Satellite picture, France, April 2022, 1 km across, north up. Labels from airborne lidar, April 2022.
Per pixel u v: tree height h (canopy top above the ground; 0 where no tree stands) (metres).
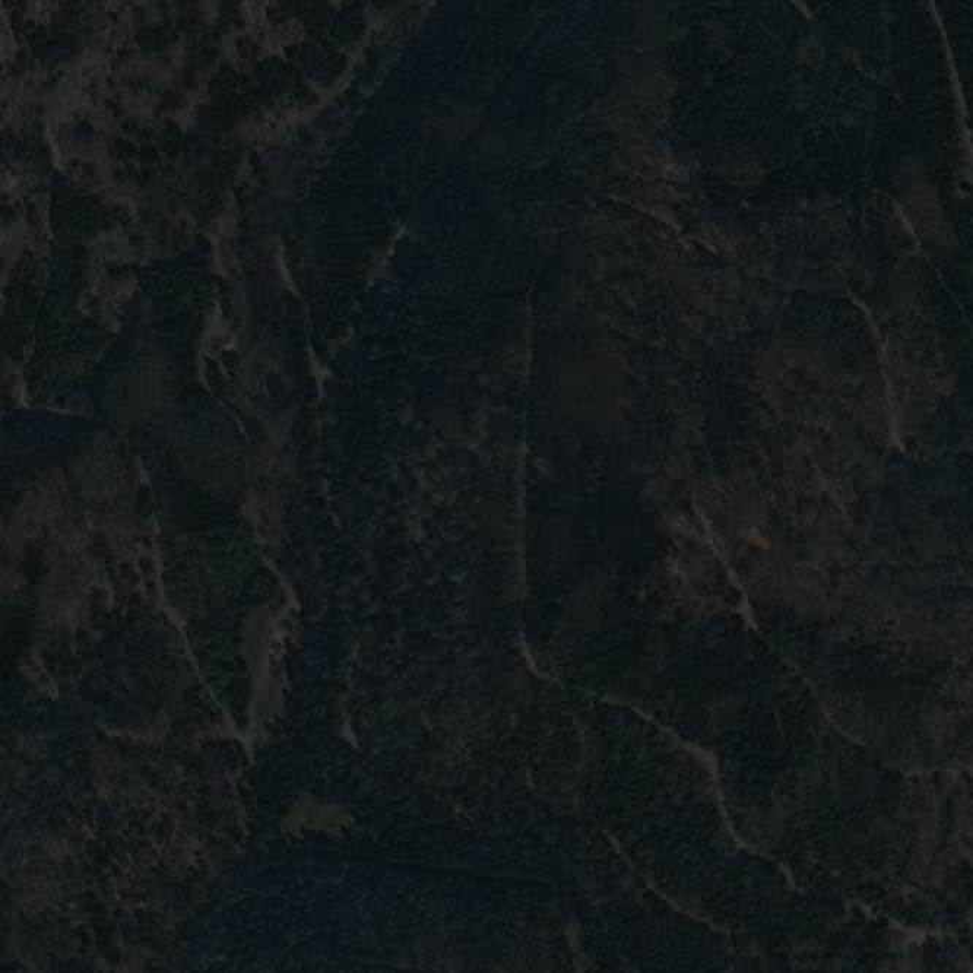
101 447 24
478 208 19
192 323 25
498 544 13
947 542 28
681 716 17
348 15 23
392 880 21
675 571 25
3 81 17
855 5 18
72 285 29
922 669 19
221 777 25
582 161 19
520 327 14
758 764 16
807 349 27
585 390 13
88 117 6
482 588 15
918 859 27
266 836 21
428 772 21
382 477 20
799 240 22
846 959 31
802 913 25
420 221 11
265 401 22
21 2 16
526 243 19
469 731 18
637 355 19
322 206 22
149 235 8
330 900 24
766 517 19
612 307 21
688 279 23
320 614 25
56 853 31
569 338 13
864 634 16
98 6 18
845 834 21
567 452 13
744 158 21
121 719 18
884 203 16
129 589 18
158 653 13
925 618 32
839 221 23
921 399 30
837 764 23
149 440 21
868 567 28
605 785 30
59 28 18
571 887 31
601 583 24
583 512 16
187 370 21
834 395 24
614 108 20
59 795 33
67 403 19
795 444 29
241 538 26
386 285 14
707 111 18
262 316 21
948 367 21
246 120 19
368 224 15
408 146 24
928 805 23
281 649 11
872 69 11
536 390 12
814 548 27
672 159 21
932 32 26
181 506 28
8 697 21
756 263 28
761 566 21
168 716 23
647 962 27
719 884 23
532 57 18
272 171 21
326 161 19
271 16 21
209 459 23
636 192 27
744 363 26
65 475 20
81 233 27
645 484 14
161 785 24
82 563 28
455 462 12
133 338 19
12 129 8
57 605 33
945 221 26
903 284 23
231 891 32
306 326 24
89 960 14
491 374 8
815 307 18
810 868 22
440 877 23
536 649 8
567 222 19
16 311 18
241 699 32
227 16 21
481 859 30
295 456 26
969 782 21
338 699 11
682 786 27
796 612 16
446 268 13
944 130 27
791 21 25
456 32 18
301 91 18
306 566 26
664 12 23
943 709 21
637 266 20
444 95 24
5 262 17
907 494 28
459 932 33
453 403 20
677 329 25
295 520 19
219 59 14
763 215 23
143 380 25
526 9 23
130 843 23
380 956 29
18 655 26
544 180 21
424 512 10
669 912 19
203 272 27
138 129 22
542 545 15
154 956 29
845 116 15
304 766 27
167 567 14
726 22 23
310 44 10
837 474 36
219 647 24
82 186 14
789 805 15
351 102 17
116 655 18
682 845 24
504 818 17
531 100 16
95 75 8
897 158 13
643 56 22
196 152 21
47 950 21
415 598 11
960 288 29
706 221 27
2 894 12
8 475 17
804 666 17
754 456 16
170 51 15
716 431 23
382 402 22
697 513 24
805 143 19
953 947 24
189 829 27
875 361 25
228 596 26
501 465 11
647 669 26
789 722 21
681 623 19
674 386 20
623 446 15
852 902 21
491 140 20
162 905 29
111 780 22
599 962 12
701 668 26
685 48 16
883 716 15
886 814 21
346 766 32
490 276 15
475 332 14
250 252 23
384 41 7
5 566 24
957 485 30
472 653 29
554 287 18
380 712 25
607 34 18
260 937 37
